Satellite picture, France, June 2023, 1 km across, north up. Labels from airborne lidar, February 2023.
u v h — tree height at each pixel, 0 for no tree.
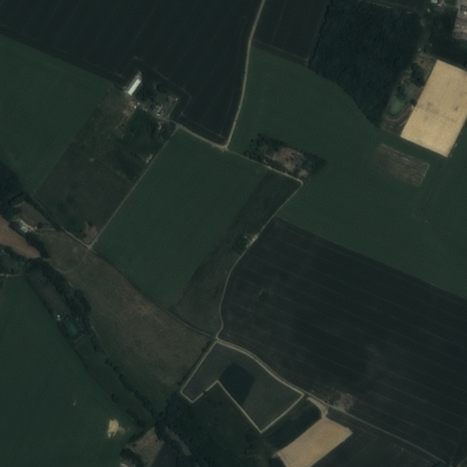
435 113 0
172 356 0
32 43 0
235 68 0
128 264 0
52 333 0
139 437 7
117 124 0
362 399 0
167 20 0
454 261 0
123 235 0
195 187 0
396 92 0
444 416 0
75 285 0
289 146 9
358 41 22
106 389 0
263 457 0
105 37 0
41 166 0
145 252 0
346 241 0
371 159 0
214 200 0
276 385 0
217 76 0
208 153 0
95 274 0
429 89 0
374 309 0
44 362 0
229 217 0
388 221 0
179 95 0
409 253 0
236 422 0
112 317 0
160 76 0
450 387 0
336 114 0
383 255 0
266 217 0
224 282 0
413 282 0
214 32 0
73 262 0
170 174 0
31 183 0
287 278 0
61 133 0
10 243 0
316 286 0
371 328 0
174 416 16
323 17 0
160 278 0
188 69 0
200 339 0
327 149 0
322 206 0
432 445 0
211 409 0
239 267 0
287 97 0
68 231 7
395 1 0
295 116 0
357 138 0
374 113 20
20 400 0
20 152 0
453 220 0
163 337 0
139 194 0
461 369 0
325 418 0
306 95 0
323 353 0
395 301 0
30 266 16
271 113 0
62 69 0
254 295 0
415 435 0
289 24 0
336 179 0
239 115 0
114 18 0
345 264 0
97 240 0
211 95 0
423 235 0
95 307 0
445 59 0
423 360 0
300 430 0
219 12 0
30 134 0
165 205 0
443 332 0
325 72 17
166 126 14
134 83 0
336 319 0
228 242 0
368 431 0
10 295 0
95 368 0
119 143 0
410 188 0
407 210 0
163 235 0
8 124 0
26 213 0
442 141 0
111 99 0
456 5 0
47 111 0
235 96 0
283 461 0
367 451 0
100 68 0
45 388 0
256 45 0
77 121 0
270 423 0
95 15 0
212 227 0
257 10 0
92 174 0
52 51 0
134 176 0
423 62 0
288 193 0
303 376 0
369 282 0
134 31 0
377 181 0
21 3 0
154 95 15
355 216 0
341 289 0
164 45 0
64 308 0
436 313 0
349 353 0
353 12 21
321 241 0
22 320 0
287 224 0
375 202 0
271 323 0
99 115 0
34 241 16
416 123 0
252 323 0
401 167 0
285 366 0
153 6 0
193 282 0
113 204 0
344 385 0
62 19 0
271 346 0
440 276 0
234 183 0
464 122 0
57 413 0
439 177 0
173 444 13
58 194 0
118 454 0
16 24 0
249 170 0
